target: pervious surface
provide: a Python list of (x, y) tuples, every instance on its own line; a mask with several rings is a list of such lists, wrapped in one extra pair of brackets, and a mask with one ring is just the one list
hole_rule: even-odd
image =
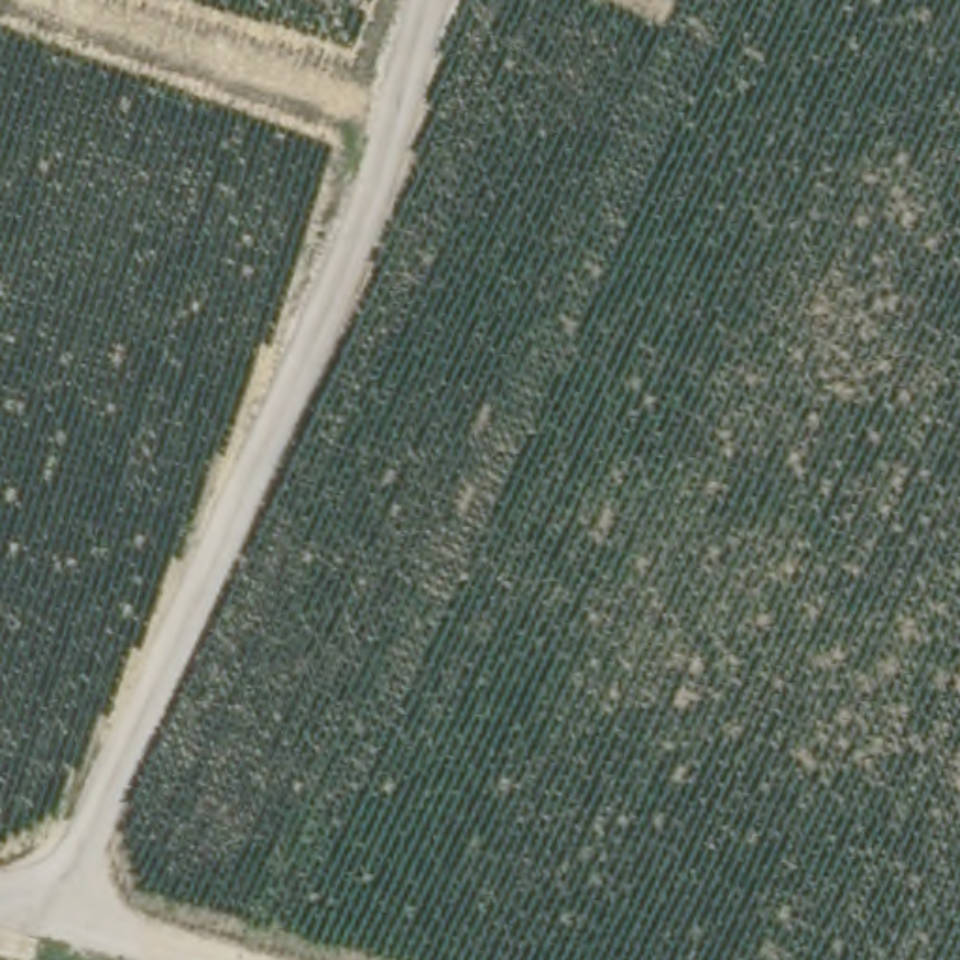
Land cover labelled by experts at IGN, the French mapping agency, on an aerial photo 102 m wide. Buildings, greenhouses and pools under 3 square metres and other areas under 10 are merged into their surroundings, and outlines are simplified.
[(229, 578), (229, 566), (240, 555), (251, 518), (334, 353), (334, 341), (341, 338), (364, 293), (364, 281), (371, 274), (371, 251), (413, 165), (413, 139), (428, 113), (428, 83), (439, 68), (439, 41), (458, 11), (458, 0), (401, 0), (375, 64), (375, 83), (360, 86), (360, 109), (349, 116), (364, 128), (368, 139), (360, 173), (341, 203), (341, 214), (330, 225), (326, 248), (311, 259), (308, 293), (296, 300), (285, 293), (278, 330), (255, 356), (255, 371), (244, 390), (229, 446), (225, 454), (218, 454), (210, 469), (203, 506), (188, 536), (188, 551), (169, 563), (158, 608), (146, 626), (146, 641), (131, 649), (113, 713), (101, 716), (94, 728), (86, 754), (90, 773), (79, 810), (71, 821), (41, 821), (34, 829), (38, 851), (26, 863), (0, 870), (0, 960), (34, 960), (45, 938), (64, 941), (71, 953), (101, 953), (124, 960), (281, 960), (229, 941), (199, 938), (131, 911), (109, 878), (109, 844), (120, 836), (116, 825), (124, 814), (124, 791), (135, 776), (135, 765), (143, 761), (143, 750), (191, 660), (206, 615)]

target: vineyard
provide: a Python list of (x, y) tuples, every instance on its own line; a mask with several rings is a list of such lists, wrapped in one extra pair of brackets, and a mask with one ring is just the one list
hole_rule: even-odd
[(240, 555), (229, 566), (229, 578), (206, 615), (191, 660), (143, 750), (143, 761), (135, 765), (135, 776), (124, 791), (124, 814), (116, 825), (120, 836), (109, 844), (109, 878), (131, 911), (199, 938), (229, 941), (281, 960), (960, 960), (960, 0), (458, 0), (458, 11), (439, 41), (439, 68), (428, 83), (428, 113), (413, 139), (413, 165), (371, 251), (371, 274), (364, 281), (364, 293), (341, 338), (334, 341), (334, 353), (251, 518)]
[(326, 248), (330, 225), (341, 214), (341, 203), (360, 173), (368, 139), (364, 128), (349, 116), (360, 109), (360, 86), (375, 83), (375, 64), (401, 0), (0, 0), (0, 870), (26, 863), (38, 851), (34, 829), (41, 821), (71, 821), (79, 810), (90, 773), (86, 754), (94, 728), (101, 716), (113, 713), (131, 649), (146, 641), (146, 626), (158, 608), (169, 563), (188, 551), (188, 536), (203, 506), (210, 469), (218, 454), (225, 454), (229, 446), (244, 390), (255, 371), (255, 356), (278, 330), (285, 293), (296, 300), (308, 293), (311, 259)]

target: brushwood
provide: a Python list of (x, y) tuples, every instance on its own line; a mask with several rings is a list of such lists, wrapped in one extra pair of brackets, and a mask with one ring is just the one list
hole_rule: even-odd
[(45, 938), (34, 960), (124, 960), (101, 953), (71, 953), (64, 941)]

